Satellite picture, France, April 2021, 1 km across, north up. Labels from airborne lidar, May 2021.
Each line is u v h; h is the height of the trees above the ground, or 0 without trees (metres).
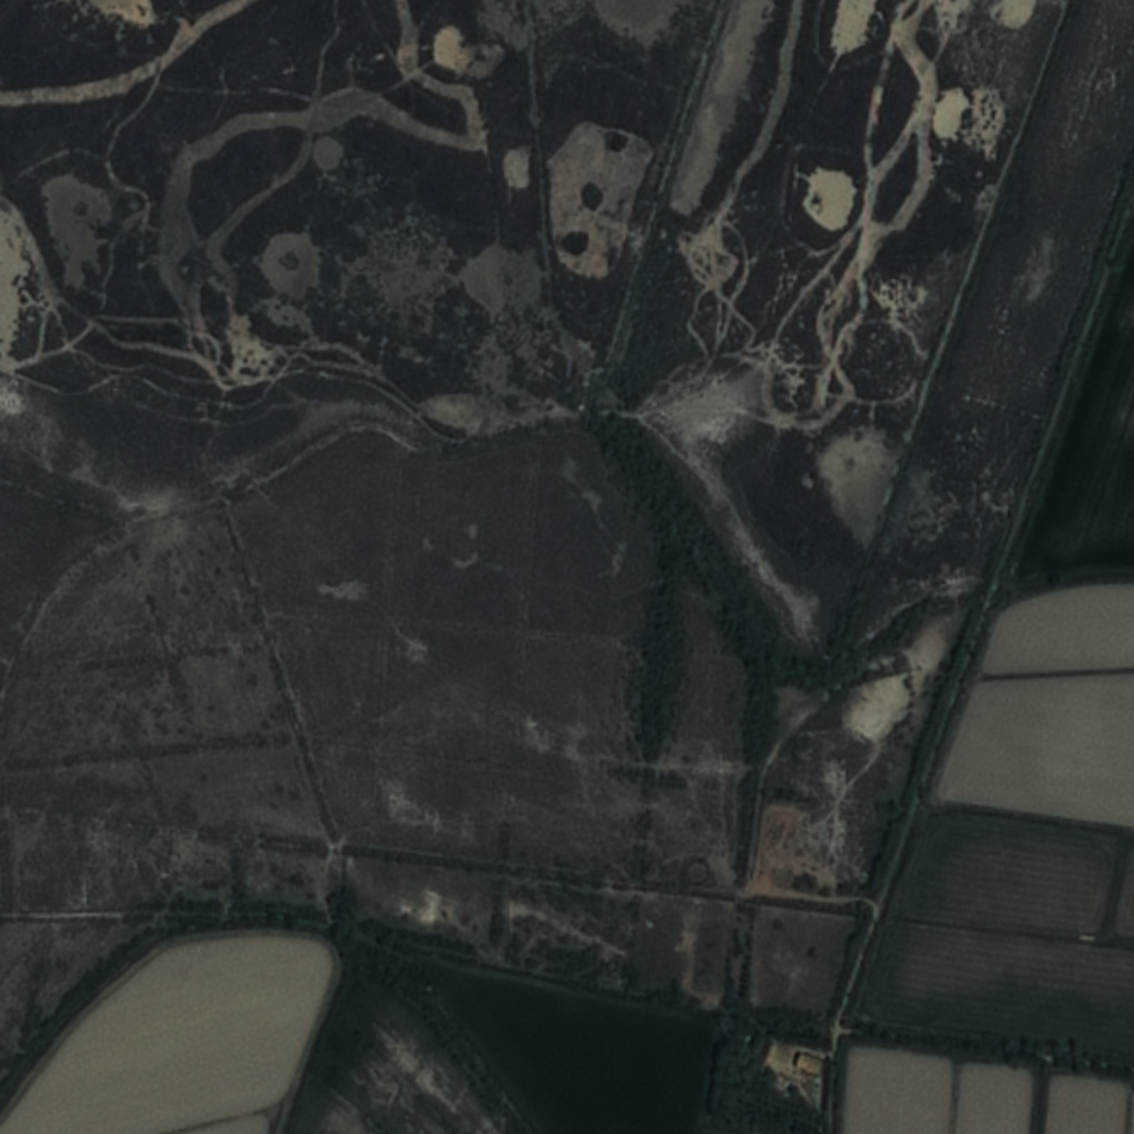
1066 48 0
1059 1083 0
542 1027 0
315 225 0
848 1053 0
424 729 0
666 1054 0
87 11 0
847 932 0
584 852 0
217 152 0
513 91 0
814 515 0
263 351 0
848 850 0
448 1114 0
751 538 0
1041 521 0
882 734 0
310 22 0
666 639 8
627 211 0
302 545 0
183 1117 0
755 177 0
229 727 0
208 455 0
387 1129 0
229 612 0
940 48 0
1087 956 0
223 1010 0
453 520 0
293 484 0
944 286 0
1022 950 0
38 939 0
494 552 0
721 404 0
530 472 0
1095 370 0
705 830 0
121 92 0
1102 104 0
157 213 0
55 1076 0
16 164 0
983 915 0
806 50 0
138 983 0
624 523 0
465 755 0
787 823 0
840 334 0
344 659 0
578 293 0
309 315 0
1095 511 0
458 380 0
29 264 0
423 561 0
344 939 8
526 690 0
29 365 0
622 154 0
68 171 0
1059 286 0
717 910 0
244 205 0
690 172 0
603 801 0
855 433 0
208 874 0
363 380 0
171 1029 0
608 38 0
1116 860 0
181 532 0
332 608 0
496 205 0
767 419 0
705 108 0
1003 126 0
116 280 0
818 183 0
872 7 0
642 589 0
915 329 0
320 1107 0
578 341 0
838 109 0
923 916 0
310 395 0
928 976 0
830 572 0
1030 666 0
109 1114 0
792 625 0
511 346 0
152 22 0
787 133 0
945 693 6
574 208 0
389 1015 0
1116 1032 0
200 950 0
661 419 0
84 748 0
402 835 0
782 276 0
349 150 0
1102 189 0
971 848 0
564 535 0
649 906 0
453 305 0
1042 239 0
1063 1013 0
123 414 0
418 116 0
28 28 0
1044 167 0
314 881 0
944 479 0
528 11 0
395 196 0
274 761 0
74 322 0
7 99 0
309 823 0
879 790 0
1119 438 0
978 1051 9
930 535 0
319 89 0
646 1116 0
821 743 0
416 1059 0
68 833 0
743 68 0
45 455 0
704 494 0
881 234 0
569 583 0
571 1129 0
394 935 10
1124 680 0
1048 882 0
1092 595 0
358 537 0
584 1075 0
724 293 0
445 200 0
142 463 0
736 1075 8
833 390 0
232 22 0
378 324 0
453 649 0
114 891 0
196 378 0
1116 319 0
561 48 0
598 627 0
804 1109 8
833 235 0
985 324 0
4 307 0
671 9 0
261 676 0
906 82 0
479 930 0
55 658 0
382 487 0
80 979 0
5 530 0
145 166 0
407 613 0
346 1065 0
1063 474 0
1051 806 0
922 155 0
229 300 0
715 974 0
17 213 0
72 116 0
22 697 0
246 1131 0
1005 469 0
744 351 0
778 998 0
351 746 0
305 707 0
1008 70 0
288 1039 0
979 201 0
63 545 0
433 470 0
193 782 0
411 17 0
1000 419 0
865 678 7
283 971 0
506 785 0
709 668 0
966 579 0
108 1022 0
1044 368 0
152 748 0
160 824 0
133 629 0
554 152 0
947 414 0
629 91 0
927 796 9
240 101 0
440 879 0
